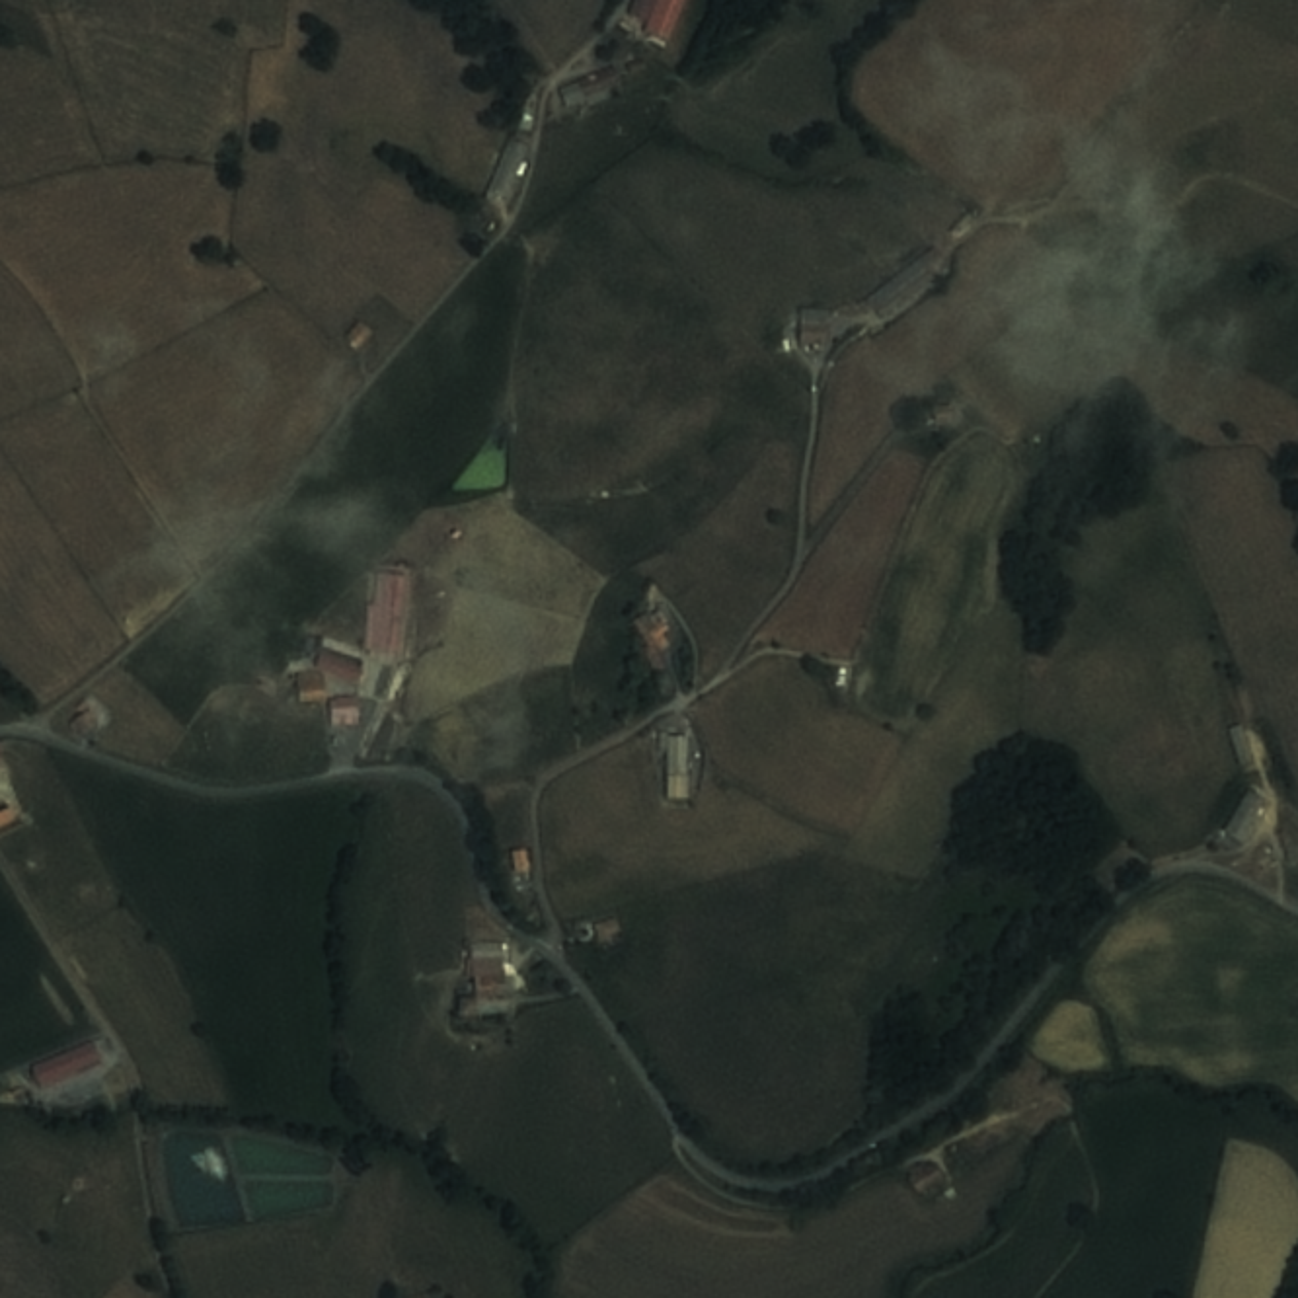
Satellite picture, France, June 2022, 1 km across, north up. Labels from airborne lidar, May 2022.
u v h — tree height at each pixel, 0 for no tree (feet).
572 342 0
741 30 51
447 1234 0
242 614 0
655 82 0
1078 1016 0
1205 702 0
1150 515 0
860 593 0
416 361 0
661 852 0
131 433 0
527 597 0
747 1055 0
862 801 0
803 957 0
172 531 0
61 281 0
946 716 0
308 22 48
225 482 0
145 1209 0
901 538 0
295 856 0
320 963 0
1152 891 0
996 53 0
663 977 0
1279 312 0
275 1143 0
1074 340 0
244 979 0
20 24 0
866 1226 0
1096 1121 0
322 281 0
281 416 0
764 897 0
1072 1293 0
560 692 0
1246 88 0
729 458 0
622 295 0
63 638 0
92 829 0
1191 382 0
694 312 0
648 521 0
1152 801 0
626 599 0
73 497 0
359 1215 0
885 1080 36
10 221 0
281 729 0
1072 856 85
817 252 0
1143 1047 0
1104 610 0
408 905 0
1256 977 0
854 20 0
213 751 0
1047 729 0
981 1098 60
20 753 0
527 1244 23
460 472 0
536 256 0
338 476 0
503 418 0
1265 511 0
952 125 0
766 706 0
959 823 46
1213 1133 0
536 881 0
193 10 0
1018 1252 0
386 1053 0
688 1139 62
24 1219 0
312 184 0
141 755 0
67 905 0
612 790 0
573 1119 0
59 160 0
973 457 0
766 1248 0
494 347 0
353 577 0
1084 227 0
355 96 0
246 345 0
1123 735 0
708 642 0
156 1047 0
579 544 0
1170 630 0
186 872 0
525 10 0
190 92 0
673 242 0
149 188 0
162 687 0
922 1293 0
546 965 24
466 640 0
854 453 0
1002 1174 0
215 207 0
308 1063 0
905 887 0
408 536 0
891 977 0
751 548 0
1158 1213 0
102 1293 0
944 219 0
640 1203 0
